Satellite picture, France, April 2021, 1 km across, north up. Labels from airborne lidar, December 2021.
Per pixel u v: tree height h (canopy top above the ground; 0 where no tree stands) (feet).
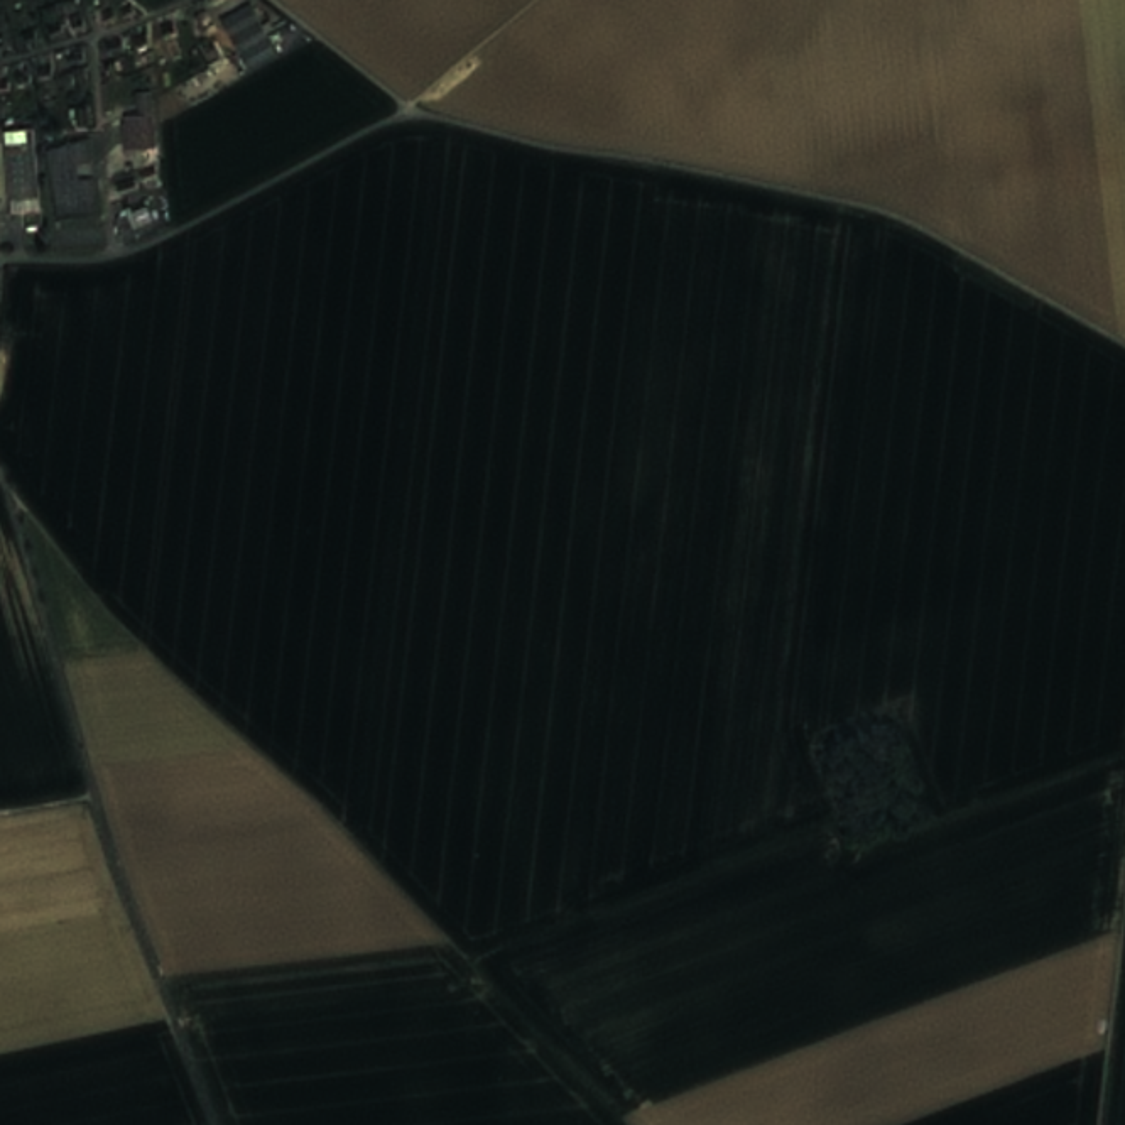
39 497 0
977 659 0
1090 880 0
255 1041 0
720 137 0
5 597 0
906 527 0
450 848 0
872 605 0
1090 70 0
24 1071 0
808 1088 0
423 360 0
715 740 0
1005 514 0
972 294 0
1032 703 0
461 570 0
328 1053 0
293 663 0
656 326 0
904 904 0
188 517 0
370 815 0
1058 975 0
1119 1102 0
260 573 0
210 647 0
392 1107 0
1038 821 0
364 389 0
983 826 0
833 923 0
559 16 0
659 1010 0
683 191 0
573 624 0
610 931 0
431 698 0
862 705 0
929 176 0
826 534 0
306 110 0
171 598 0
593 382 0
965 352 0
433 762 0
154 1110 0
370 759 0
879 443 0
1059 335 0
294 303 0
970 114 0
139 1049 0
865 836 57
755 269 0
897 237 0
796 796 0
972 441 0
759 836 0
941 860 0
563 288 0
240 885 0
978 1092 0
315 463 0
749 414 0
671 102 0
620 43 0
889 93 0
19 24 0
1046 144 0
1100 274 0
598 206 0
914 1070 0
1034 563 0
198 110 0
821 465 0
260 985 0
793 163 0
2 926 0
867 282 0
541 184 0
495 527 0
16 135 0
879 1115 0
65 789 0
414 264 0
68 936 0
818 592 0
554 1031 0
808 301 0
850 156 0
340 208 0
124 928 0
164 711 0
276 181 0
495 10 0
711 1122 0
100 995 0
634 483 0
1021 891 0
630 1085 0
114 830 0
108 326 0
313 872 0
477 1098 0
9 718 0
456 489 0
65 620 0
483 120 0
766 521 0
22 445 0
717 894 0
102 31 0
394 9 0
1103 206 0
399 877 0
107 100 0
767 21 0
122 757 0
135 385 0
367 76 0
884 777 71
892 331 0
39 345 0
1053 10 0
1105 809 0
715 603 0
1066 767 0
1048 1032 0
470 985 0
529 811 0
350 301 0
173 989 0
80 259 0
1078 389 0
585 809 0
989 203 0
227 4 0
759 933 0
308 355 0
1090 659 0
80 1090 0
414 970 0
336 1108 0
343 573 0
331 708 0
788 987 0
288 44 0
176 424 0
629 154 0
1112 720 0
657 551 0
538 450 0
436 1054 0
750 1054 0
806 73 0
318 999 0
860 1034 0
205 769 0
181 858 0
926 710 0
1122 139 0
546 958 0
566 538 0
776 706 0
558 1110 0
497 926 0
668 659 0
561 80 0
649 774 0
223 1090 0
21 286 0
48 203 0
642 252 0
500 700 0
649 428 0
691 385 0
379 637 0
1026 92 0
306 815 0
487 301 0
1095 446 0
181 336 0
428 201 0
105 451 0
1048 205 0
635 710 0
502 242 0
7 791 0
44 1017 0
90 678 0
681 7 0
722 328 0
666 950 0
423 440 0
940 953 0
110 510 0
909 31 0
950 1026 0
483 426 0
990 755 0
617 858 0
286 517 0
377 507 0
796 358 0
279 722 0
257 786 0
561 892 0
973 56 0
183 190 0
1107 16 0
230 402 0
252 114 0
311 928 0
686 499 0
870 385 0
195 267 0
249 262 0
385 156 0
